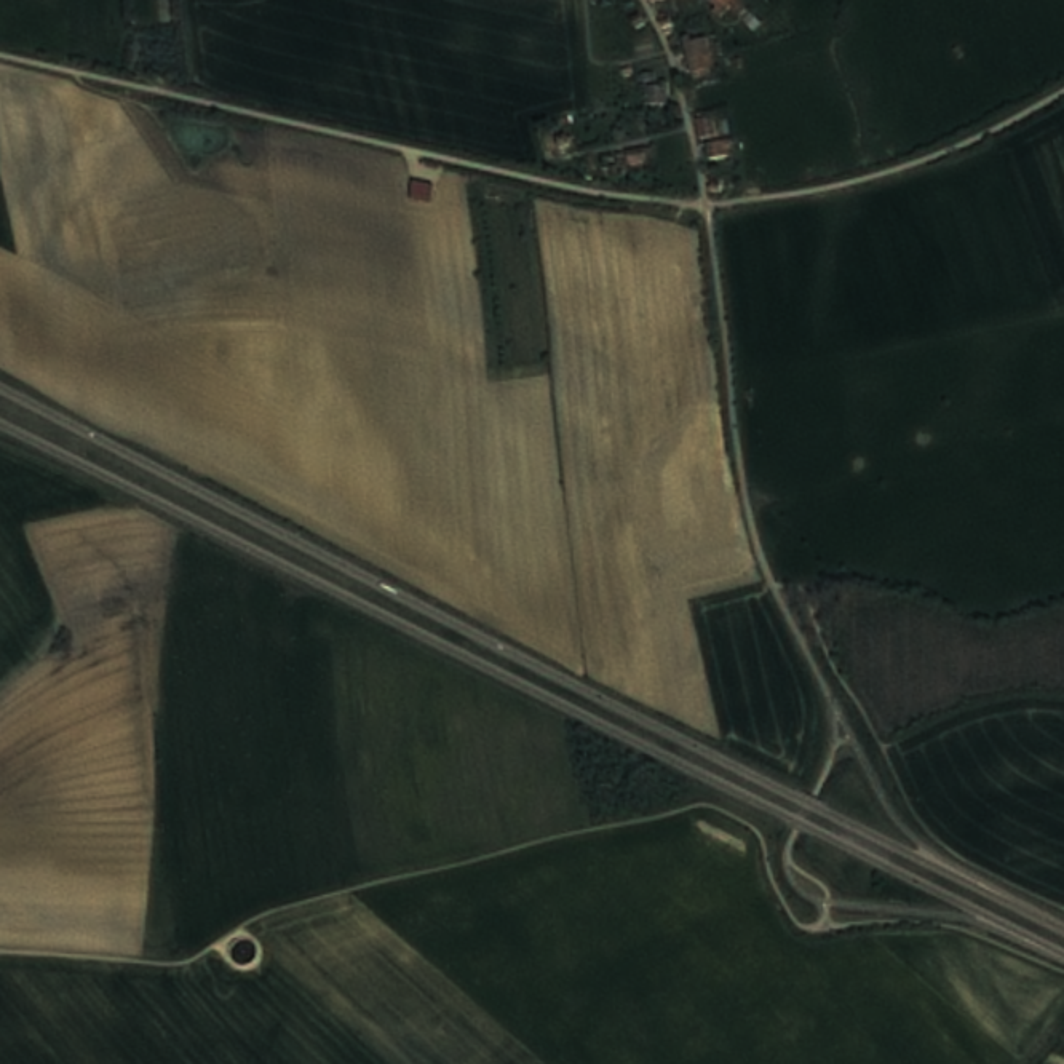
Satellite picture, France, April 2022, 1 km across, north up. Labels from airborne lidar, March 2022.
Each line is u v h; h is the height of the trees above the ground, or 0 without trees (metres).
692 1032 0
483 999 0
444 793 0
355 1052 0
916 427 0
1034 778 0
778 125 0
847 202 0
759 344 0
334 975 0
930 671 0
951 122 0
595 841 0
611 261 0
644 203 0
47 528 0
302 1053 0
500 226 0
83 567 0
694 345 0
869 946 0
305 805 0
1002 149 0
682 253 0
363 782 0
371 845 0
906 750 0
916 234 0
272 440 0
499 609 0
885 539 0
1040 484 0
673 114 14
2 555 0
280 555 0
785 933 0
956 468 0
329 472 0
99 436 0
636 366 0
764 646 0
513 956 0
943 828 0
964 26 0
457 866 0
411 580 0
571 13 0
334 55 0
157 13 0
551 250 0
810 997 0
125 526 0
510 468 0
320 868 0
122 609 0
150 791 0
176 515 0
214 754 0
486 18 0
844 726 0
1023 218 0
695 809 0
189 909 0
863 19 0
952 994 0
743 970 0
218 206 0
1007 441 0
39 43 0
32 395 0
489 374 0
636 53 0
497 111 0
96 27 0
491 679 0
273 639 0
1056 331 0
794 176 0
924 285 0
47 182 0
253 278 0
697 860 0
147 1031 0
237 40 0
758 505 0
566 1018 0
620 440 0
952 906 0
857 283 0
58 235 0
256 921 0
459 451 0
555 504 0
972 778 0
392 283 0
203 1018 0
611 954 0
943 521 0
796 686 0
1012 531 0
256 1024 0
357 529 0
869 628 0
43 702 0
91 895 0
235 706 0
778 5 0
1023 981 0
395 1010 0
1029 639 0
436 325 0
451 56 0
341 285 0
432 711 0
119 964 0
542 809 0
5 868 0
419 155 0
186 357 0
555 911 0
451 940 0
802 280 0
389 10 0
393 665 0
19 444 0
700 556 0
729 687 0
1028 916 0
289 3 0
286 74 0
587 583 0
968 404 0
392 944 0
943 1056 0
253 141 0
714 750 0
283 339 0
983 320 0
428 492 0
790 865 0
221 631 0
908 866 0
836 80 0
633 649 0
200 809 0
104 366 0
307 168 0
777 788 0
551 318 0
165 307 0
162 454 0
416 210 0
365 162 0
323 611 0
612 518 0
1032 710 0
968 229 0
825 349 0
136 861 0
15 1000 0
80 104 0
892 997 0
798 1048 0
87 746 0
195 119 17
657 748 0
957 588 0
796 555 0
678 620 0
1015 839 0
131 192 0
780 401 0
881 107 0
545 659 0
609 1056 0
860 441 0
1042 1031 0
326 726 0
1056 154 0
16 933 0
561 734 0
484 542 0
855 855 0
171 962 0
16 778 0
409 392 0
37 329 0
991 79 0
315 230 0
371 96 0
